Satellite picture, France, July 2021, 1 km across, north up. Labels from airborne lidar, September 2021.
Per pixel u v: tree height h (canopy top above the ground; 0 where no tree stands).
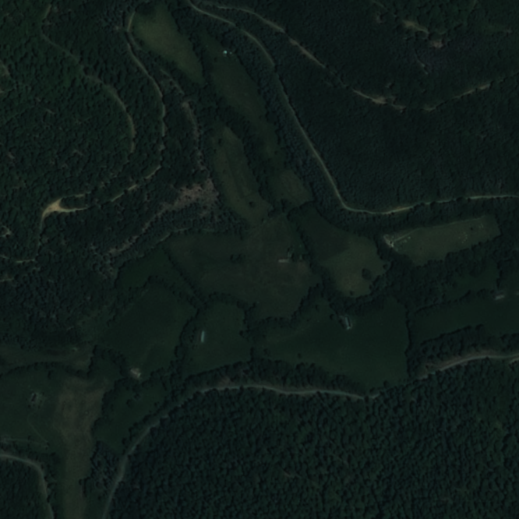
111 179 8
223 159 0
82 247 21
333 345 0
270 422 28
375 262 0
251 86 0
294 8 21
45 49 11
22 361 0
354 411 10
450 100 12
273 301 0
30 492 18
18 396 0
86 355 0
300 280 0
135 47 27
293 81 22
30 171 17
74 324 18
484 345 12
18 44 23
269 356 10
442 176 22
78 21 20
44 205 19
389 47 20
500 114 18
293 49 20
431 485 25
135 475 9
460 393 27
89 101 23
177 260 18
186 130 24
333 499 27
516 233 21
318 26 19
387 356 0
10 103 17
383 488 25
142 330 0
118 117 21
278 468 24
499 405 29
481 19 23
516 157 25
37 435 0
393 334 0
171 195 19
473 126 19
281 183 0
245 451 27
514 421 19
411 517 22
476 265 15
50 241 9
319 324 0
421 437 13
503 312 0
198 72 0
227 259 0
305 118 22
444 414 22
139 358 0
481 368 13
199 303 17
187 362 10
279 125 17
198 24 11
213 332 0
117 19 23
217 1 18
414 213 21
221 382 22
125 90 23
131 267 23
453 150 19
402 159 20
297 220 21
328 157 21
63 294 28
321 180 34
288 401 20
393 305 0
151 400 0
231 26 26
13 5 24
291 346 0
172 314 0
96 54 25
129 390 13
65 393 0
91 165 23
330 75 19
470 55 23
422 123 19
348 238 0
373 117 18
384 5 11
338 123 18
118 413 0
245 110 0
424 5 9
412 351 22
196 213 25
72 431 0
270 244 0
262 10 21
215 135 19
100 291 25
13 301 13
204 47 20
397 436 9
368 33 18
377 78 23
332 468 28
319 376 17
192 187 19
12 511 28
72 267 24
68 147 16
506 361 13
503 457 32
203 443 21
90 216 26
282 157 0
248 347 0
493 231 0
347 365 0
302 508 23
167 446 25
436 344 21
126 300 22
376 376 0
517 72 13
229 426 26
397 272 24
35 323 17
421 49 22
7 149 23
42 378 0
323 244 0
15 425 0
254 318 22
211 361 0
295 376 22
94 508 0
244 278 0
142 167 15
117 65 25
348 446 24
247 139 19
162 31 0
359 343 0
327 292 18
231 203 0
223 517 11
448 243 0
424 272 21
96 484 22
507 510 12
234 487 26
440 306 15
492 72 16
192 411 24
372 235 23
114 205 25
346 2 21
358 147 18
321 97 19
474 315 0
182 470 25
